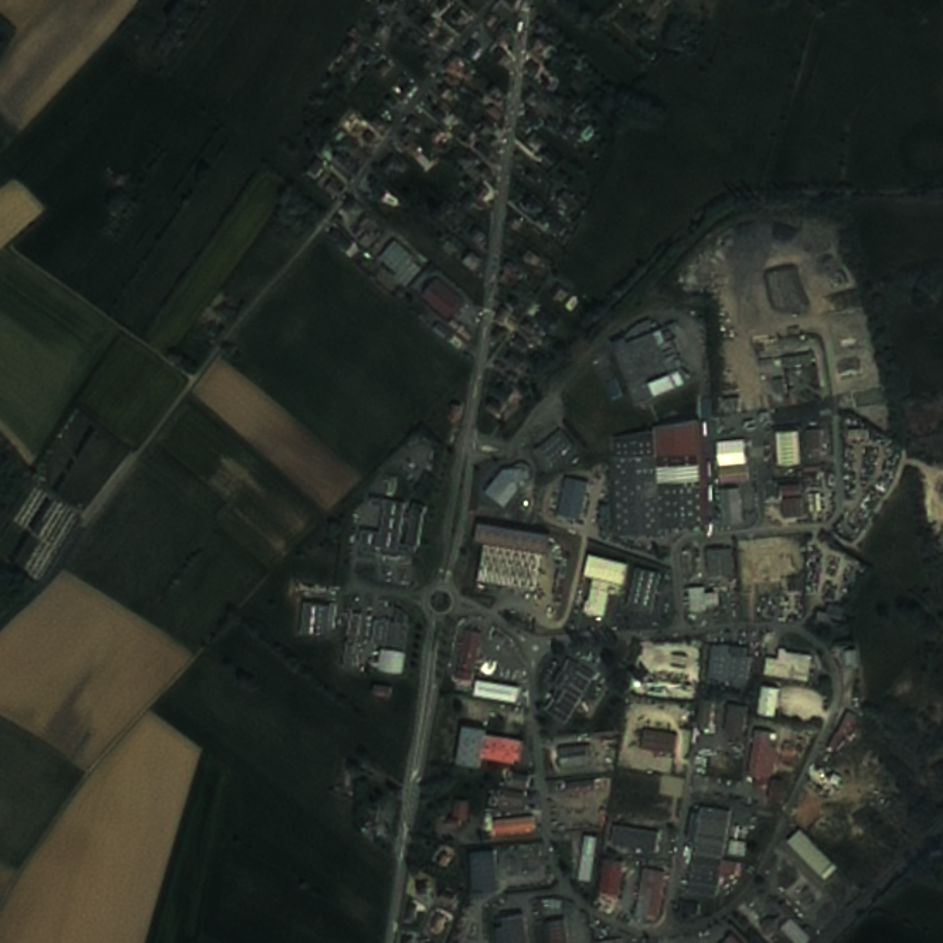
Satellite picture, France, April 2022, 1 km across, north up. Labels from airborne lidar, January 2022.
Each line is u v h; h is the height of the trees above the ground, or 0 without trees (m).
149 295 0
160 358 0
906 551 0
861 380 0
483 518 0
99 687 0
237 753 0
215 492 0
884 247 0
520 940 0
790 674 0
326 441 0
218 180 0
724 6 0
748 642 0
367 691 0
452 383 0
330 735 0
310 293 0
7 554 0
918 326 0
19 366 0
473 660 0
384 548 0
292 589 0
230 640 0
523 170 0
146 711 0
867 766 0
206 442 0
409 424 0
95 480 0
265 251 0
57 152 0
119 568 0
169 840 0
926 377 0
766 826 0
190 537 0
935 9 0
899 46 0
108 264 0
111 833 0
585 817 0
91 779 0
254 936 0
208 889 0
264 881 0
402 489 0
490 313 0
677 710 0
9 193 0
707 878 0
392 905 0
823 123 0
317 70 0
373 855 0
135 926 0
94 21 0
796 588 0
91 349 0
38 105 0
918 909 0
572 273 0
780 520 0
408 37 8
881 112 0
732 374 0
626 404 0
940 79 0
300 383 0
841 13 0
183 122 0
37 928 0
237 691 0
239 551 0
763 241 0
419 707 0
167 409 0
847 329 0
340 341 0
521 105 0
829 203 14
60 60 0
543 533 0
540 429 0
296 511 0
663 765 0
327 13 0
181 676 0
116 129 0
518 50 0
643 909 0
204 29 0
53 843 0
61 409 0
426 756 0
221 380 0
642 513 0
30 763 0
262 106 0
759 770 0
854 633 6
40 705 0
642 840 0
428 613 0
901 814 0
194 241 0
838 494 0
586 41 0
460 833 0
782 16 0
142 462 0
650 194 0
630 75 0
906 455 0
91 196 0
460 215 0
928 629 15
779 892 0
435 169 0
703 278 0
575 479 0
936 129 0
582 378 0
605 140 8
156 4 0
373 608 0
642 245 0
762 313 0
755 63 0
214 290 0
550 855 0
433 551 0
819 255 0
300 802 0
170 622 0
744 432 0
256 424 0
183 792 0
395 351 0
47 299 0
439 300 0
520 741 0
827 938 0
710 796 0
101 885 0
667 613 0
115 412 0
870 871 0
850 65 0
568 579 0
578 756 0
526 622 0
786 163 0
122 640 0
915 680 0
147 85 0
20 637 0
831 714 0
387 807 0
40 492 0
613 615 0
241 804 0
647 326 0
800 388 0
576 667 0
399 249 0
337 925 0
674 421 0
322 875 0
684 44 8
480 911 0
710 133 0
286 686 0
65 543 0
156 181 0
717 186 0
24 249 0
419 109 0
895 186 0
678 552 0
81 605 0
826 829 0
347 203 10
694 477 0
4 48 6
